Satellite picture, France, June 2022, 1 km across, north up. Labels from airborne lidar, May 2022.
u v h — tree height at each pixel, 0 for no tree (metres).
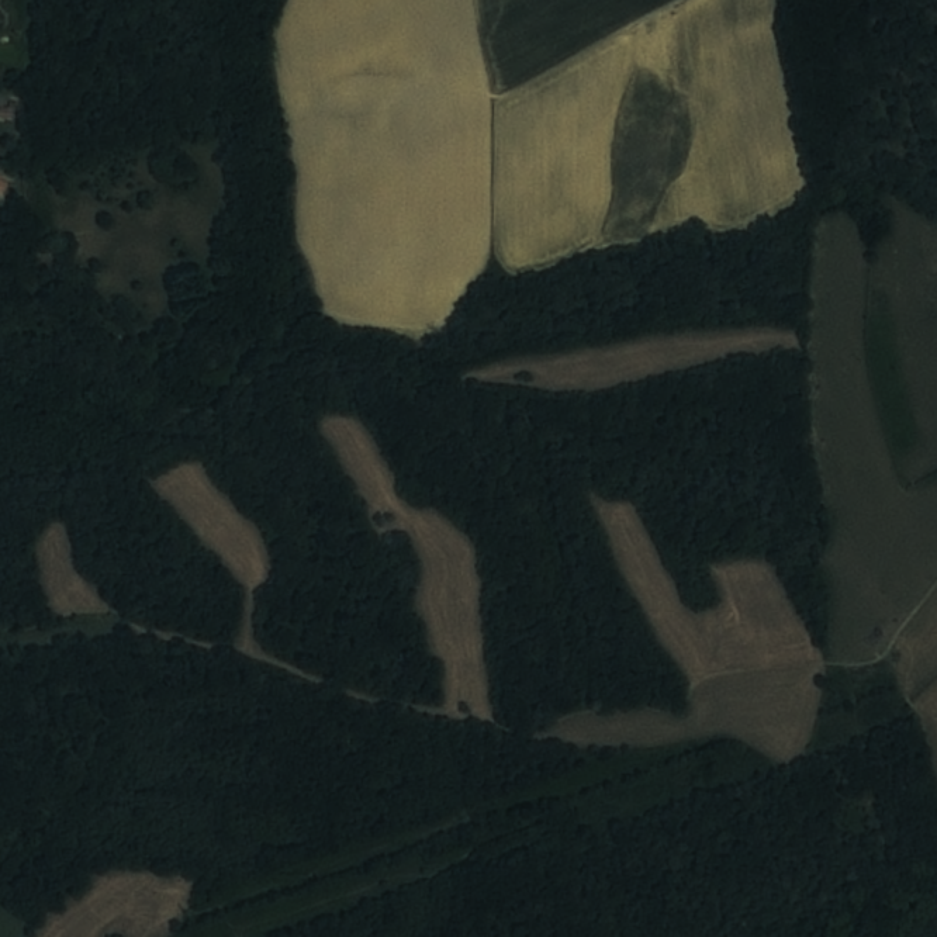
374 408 23
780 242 21
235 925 0
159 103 28
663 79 0
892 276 0
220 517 0
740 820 17
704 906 14
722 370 14
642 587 0
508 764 17
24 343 7
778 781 19
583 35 0
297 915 0
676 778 0
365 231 0
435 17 0
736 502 17
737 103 0
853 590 0
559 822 16
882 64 23
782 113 0
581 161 0
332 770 19
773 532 14
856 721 0
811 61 27
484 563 11
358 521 15
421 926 11
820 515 20
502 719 13
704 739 0
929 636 0
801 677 0
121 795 9
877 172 20
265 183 23
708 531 19
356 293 0
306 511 27
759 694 0
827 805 18
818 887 6
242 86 26
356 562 23
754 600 0
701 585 10
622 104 0
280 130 13
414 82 0
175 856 9
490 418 28
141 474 8
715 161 0
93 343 17
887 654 0
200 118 23
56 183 16
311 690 17
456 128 0
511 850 6
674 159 0
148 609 23
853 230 0
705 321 12
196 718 15
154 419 22
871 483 0
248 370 16
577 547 23
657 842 16
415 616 11
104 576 23
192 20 20
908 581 0
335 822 13
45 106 22
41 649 15
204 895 8
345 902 0
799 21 26
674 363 0
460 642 0
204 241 0
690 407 17
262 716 19
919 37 31
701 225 20
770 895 17
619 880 11
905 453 0
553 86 0
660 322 11
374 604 26
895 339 0
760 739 0
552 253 0
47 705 21
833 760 15
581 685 11
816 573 7
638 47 0
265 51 25
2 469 19
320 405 12
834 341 0
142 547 24
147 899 0
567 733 0
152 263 0
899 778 18
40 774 23
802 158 11
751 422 23
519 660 27
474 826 15
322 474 17
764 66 0
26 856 16
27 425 19
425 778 12
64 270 25
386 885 7
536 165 0
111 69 11
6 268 20
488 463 24
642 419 27
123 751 10
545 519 13
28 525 20
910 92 14
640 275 24
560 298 22
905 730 21
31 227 25
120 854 8
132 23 23
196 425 18
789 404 18
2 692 21
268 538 9
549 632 27
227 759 7
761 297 22
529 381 6
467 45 0
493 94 0
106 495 17
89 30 16
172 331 22
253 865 8
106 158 14
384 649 27
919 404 0
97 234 0
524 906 18
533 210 0
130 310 20
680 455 13
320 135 0
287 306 9
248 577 0
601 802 0
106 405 21
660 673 12
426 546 0
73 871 26
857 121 22
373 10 0
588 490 17
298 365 18
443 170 0
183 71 28
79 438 20
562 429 23
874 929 23
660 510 22
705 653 0
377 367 23
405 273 0
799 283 14
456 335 23
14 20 0
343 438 0
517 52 0
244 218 21
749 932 21
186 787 13
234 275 20
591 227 0
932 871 28
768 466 26
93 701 26
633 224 0
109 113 19
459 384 20
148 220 0
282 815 8
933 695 0
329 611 25
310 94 0
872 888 23
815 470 19
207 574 22
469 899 15
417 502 7
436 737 18
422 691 15
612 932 15
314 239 0
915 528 0
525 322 8
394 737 17
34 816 24
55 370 22
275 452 19
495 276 11
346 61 0
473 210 0
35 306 24
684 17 0
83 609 0
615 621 23
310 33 0
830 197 25
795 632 0
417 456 21
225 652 20
